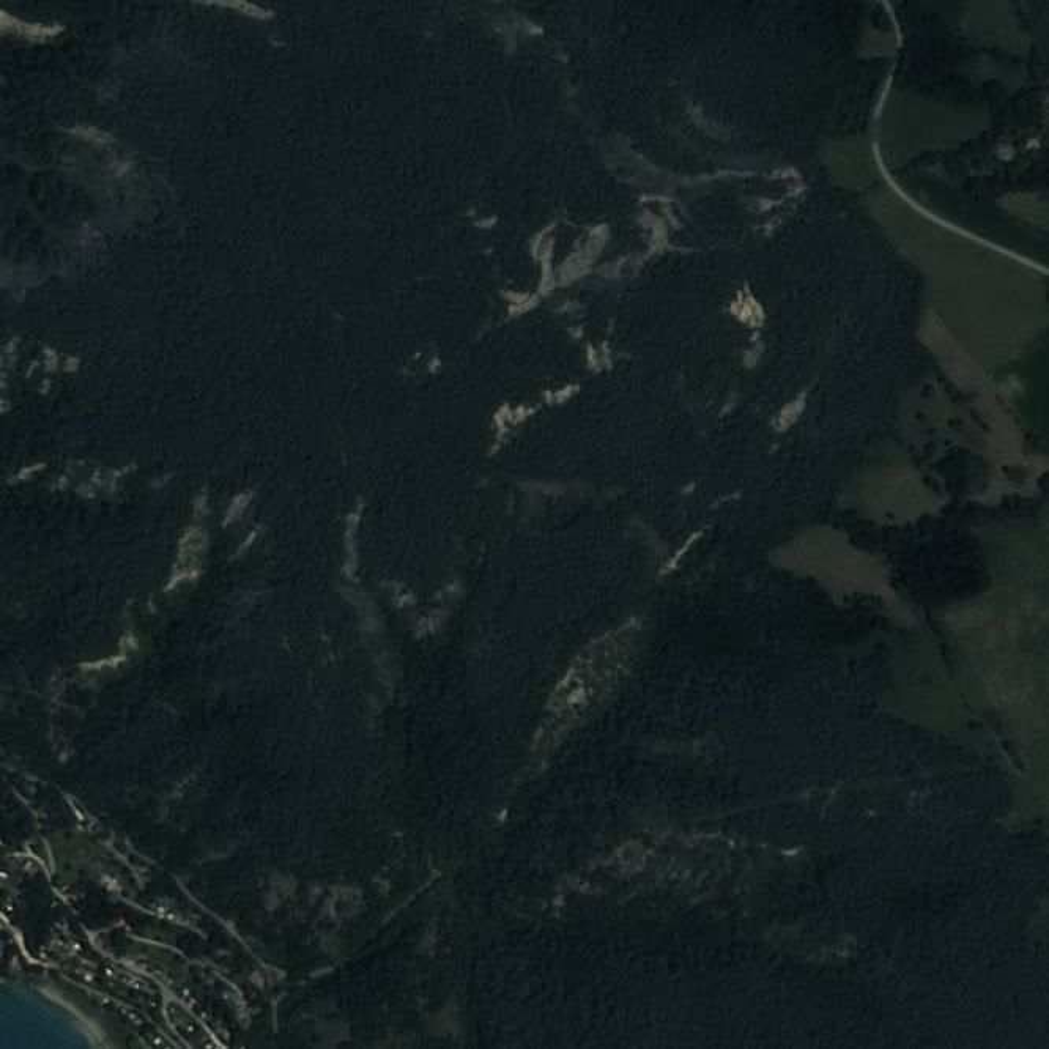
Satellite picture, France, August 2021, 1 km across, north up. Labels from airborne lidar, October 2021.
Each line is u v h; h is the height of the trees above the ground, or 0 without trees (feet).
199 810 33
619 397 18
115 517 53
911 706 0
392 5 35
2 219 44
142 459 42
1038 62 32
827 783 33
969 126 0
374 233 27
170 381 26
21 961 33
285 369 36
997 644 0
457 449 35
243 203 27
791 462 34
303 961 42
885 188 0
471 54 29
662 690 29
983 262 0
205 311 46
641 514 26
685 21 51
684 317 25
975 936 27
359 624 24
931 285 0
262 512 21
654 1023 26
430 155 39
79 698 32
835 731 31
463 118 32
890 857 28
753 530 33
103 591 44
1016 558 0
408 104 27
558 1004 50
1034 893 24
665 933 42
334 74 20
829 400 22
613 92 39
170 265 30
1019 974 21
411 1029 33
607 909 31
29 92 44
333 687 27
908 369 44
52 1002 0
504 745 38
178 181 25
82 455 20
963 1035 27
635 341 24
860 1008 37
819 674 31
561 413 30
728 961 28
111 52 34
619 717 23
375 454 28
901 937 33
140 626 20
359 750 26
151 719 39
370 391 33
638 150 33
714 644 60
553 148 19
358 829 30
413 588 25
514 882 41
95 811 31
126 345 19
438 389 30
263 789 55
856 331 26
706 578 21
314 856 41
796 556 0
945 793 31
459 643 45
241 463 20
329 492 31
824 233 28
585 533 28
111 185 0
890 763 25
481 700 29
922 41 44
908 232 0
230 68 25
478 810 45
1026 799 0
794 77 35
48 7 47
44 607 48
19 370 31
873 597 28
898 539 67
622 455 22
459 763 28
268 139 35
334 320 19
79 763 23
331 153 20
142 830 41
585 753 52
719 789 30
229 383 27
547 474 21
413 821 51
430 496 42
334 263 20
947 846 25
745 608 35
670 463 30
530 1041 35
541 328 27
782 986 24
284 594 34
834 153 0
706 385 31
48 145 29
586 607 28
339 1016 24
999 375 0
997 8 0
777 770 37
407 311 29
